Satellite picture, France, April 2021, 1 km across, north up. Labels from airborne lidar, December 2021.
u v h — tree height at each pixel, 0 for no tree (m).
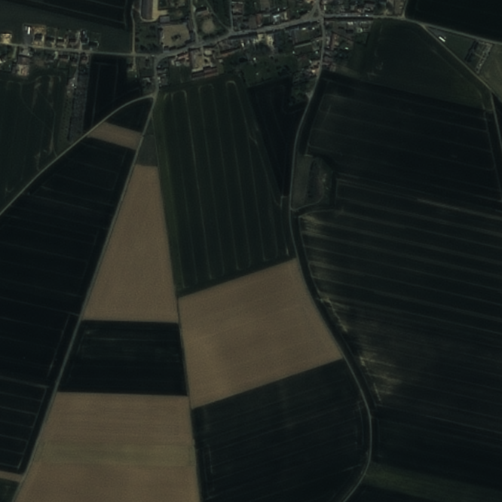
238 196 0
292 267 0
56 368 0
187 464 0
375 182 0
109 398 0
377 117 0
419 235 0
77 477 0
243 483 0
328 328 0
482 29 0
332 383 0
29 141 0
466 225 0
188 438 0
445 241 0
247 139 0
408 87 0
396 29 0
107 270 0
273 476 0
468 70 0
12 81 0
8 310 0
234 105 0
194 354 0
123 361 0
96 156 0
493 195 0
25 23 0
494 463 0
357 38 6
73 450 0
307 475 0
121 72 0
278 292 0
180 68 0
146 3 0
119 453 0
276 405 0
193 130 0
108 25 0
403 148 0
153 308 0
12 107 0
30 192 0
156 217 0
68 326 0
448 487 0
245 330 0
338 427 0
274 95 0
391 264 0
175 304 0
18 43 0
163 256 0
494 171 0
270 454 0
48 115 0
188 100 0
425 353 0
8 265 0
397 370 0
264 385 0
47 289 0
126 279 0
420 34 0
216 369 0
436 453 0
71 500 0
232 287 0
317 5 0
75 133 10
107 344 0
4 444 0
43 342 0
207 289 0
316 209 0
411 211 0
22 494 0
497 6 0
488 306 0
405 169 0
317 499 0
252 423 0
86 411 0
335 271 0
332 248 0
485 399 0
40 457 0
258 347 0
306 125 0
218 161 0
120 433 0
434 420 0
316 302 0
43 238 0
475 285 0
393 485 0
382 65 0
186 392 0
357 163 0
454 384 0
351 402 0
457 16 0
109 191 0
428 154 0
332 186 0
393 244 0
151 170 0
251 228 0
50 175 0
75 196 0
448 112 0
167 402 0
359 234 0
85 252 0
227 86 0
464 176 0
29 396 0
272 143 0
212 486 0
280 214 0
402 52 0
